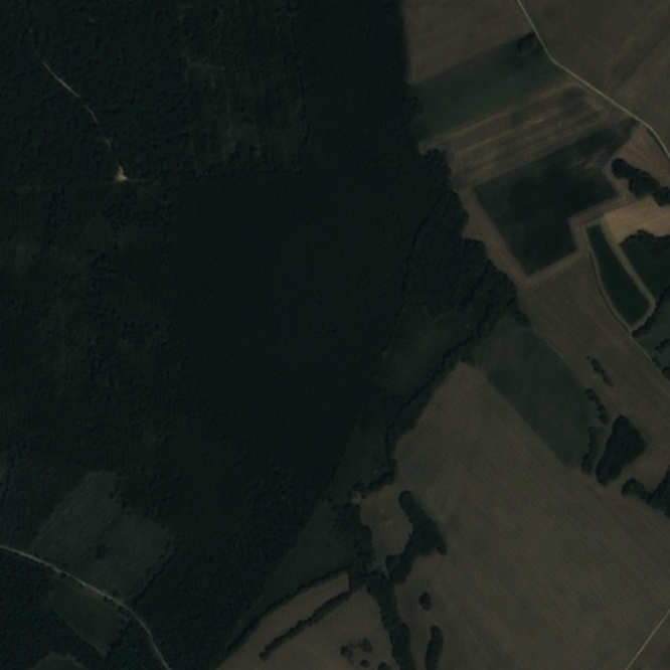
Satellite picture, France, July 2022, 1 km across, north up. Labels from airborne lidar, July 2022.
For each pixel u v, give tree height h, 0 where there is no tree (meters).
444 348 0
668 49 0
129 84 20
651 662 0
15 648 18
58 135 23
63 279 6
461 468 0
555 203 0
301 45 13
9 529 16
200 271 12
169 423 10
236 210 11
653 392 0
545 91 0
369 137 11
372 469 0
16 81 19
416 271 15
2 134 20
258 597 23
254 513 16
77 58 22
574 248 0
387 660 0
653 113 0
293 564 0
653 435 0
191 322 12
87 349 8
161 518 11
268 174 11
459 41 0
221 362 11
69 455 6
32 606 21
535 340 0
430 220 22
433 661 16
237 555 21
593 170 0
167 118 22
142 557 0
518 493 0
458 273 28
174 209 10
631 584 0
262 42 9
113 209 14
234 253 12
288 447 11
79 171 23
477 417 0
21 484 16
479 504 0
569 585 0
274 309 10
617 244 0
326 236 11
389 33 14
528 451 0
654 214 0
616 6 0
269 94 8
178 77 25
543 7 0
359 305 9
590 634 0
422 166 13
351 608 0
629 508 0
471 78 0
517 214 0
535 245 0
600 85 0
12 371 7
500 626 0
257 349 12
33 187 19
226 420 10
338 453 13
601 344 0
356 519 21
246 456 12
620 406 0
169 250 9
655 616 0
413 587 0
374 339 10
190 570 19
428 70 0
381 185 8
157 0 25
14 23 21
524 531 0
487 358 0
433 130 0
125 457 7
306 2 16
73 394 10
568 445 0
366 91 13
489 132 0
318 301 9
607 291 0
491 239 0
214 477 11
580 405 0
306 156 6
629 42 0
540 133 0
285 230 11
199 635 15
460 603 0
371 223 9
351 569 8
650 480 0
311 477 12
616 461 18
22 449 12
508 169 0
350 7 9
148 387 10
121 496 6
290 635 9
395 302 8
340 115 12
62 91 14
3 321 8
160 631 16
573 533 0
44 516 9
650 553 0
